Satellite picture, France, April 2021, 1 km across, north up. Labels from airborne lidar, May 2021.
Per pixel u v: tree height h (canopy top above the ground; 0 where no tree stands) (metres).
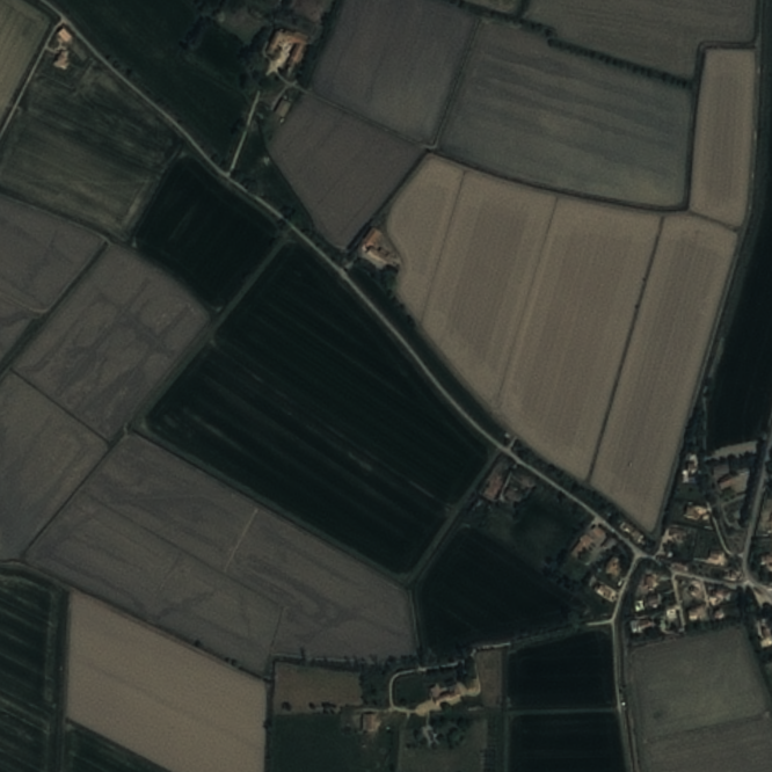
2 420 0
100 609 0
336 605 0
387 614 0
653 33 0
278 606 0
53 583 0
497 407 0
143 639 0
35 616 0
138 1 0
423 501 0
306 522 0
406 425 0
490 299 0
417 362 0
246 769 0
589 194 0
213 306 0
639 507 0
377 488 0
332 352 0
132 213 0
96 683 0
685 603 0
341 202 0
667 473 0
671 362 0
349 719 0
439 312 0
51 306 0
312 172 0
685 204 0
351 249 10
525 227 0
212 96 0
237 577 0
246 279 8
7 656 0
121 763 0
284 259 0
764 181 0
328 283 0
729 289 0
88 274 0
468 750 0
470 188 0
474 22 0
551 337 0
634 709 0
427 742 8
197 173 0
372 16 0
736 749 0
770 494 7
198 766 0
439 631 0
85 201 0
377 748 0
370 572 0
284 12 11
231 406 0
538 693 0
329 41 0
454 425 0
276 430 0
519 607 0
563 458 0
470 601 0
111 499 0
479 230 0
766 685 0
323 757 0
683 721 0
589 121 0
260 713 0
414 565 0
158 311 0
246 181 9
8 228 0
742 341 0
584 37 0
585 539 0
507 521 0
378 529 0
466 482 0
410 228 0
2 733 0
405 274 0
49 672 0
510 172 0
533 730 0
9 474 0
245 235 0
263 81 12
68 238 0
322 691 0
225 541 0
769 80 0
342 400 0
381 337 0
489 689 0
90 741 0
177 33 0
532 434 0
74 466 0
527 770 0
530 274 0
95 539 0
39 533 0
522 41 0
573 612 16
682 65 0
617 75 0
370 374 0
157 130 0
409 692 0
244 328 0
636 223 0
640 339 0
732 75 0
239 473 0
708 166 0
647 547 7
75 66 0
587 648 0
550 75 0
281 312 0
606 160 0
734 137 0
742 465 14
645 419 0
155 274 0
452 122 0
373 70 0
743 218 0
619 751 0
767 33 0
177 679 0
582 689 0
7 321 0
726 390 0
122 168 0
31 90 0
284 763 0
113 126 0
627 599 9
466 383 0
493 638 5
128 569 0
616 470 0
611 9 0
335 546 0
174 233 0
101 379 0
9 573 0
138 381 0
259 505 0
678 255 0
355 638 0
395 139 0
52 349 0
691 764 0
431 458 0
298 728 0
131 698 0
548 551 0
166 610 0
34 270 0
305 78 8
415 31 0
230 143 0
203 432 0
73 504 0
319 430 0
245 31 0
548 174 0
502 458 6
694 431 9
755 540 8
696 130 0
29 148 0
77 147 0
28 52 0
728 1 0
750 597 9
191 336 0
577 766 0
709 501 9
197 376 0
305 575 0
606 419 0
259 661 0
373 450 0
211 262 0
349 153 0
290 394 0
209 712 0
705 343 0
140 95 0
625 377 0
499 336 0
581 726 0
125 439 0
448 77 0
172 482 0
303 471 0
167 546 0
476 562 0
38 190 0
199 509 0
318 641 0
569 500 11
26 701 0
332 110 0
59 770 0
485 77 0
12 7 0
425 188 0
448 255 0
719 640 0
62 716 0
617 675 0
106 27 0
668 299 0
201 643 10
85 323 0
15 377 0
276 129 0
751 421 0
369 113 0
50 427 0
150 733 0
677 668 0
